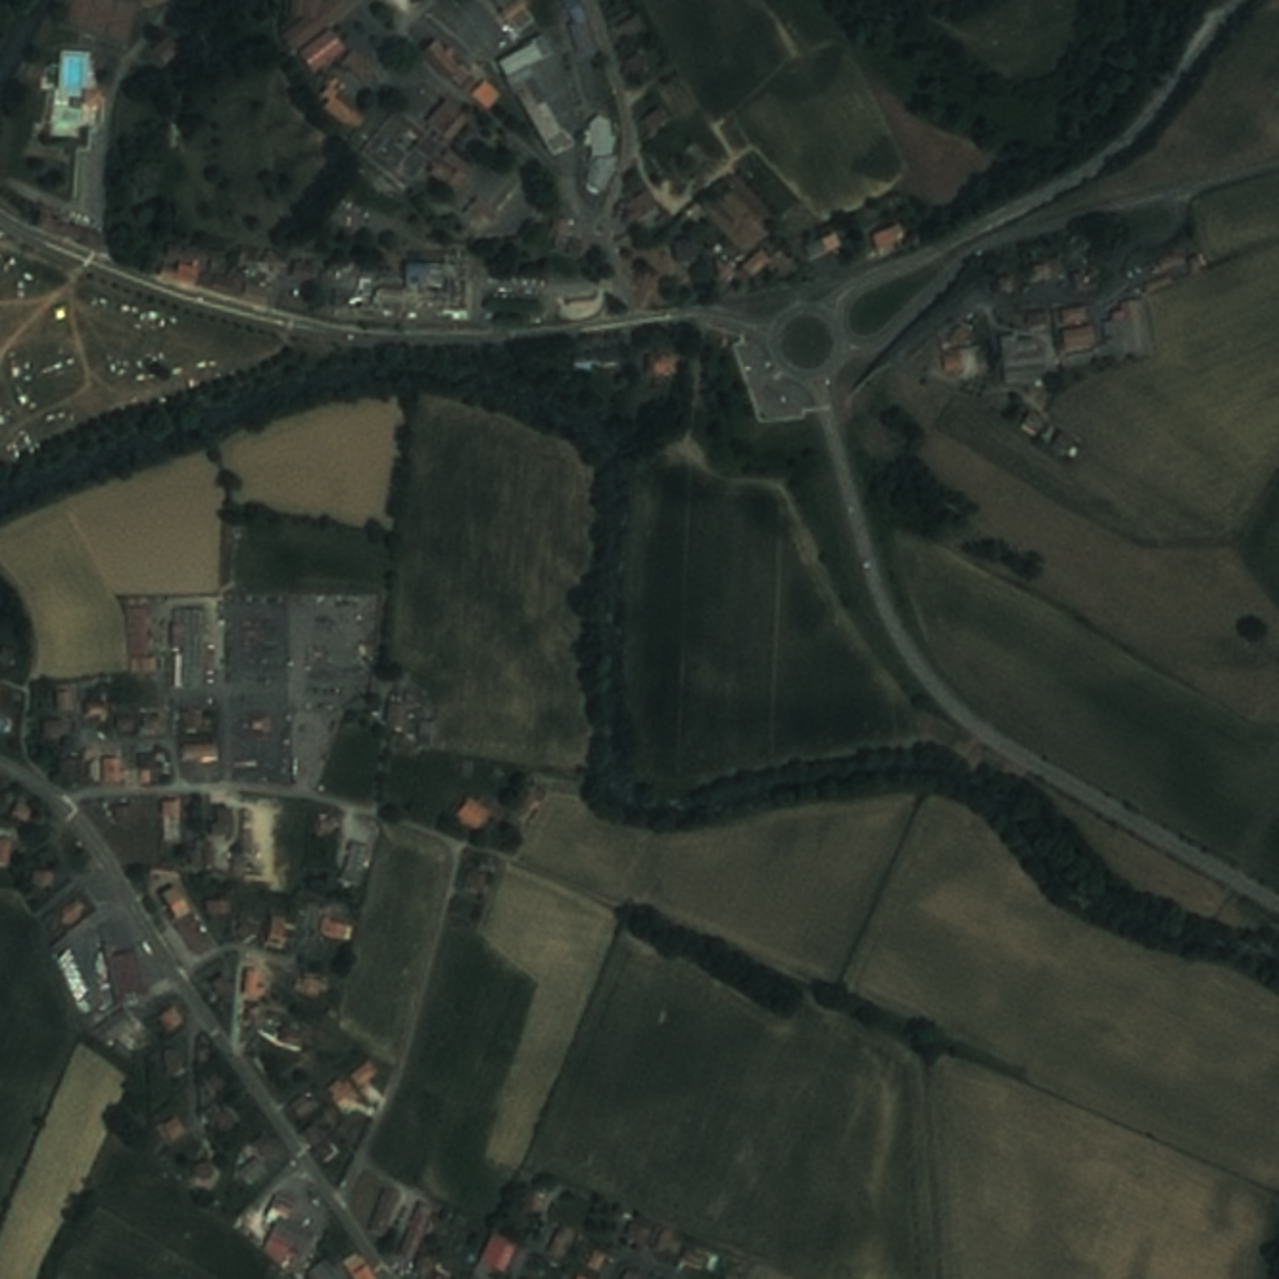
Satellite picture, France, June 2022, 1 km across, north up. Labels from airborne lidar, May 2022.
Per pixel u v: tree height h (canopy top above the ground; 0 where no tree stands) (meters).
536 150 0
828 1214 0
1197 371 0
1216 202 0
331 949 0
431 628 0
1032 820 19
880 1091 0
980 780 7
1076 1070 0
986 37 0
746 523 0
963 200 9
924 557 0
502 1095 0
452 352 17
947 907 0
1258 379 0
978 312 0
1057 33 0
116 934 0
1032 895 0
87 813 0
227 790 0
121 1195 0
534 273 15
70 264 0
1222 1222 0
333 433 0
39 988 0
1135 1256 0
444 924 0
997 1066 0
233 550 0
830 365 0
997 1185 0
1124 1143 0
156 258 15
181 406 15
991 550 17
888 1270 0
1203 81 6
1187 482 0
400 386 14
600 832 0
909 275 0
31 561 0
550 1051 0
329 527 8
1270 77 0
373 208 0
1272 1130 0
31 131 0
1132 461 0
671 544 0
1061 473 0
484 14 0
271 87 0
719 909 0
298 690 0
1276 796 0
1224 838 0
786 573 0
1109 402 0
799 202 0
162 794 0
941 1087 0
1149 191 0
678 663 0
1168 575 0
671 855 0
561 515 0
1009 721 0
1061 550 0
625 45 8
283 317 0
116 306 0
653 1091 0
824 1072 0
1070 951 0
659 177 10
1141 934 24
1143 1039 0
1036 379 0
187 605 0
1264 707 0
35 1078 0
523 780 12
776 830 0
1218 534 0
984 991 0
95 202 0
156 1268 0
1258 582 0
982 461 0
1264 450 0
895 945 0
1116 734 0
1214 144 0
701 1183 0
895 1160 0
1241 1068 0
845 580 0
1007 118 0
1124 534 0
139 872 12
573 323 0
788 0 0
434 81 0
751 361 0
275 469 0
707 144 0
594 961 0
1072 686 0
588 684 12
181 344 0
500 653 0
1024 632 0
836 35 0
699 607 0
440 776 0
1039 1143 0
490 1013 0
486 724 0
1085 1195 0
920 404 0
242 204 0
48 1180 0
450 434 0
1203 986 0
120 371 0
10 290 0
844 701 0
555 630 0
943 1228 0
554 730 0
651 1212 0
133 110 0
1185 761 0
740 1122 0
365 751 0
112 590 0
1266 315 0
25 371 0
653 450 21
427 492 0
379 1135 0
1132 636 0
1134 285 0
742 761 0
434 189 19
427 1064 0
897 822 0
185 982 0
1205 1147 0
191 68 20
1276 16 0
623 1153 0
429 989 0
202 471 0
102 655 0
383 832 0
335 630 0
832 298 0
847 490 0
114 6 0
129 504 0
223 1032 0
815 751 0
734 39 0
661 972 0
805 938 0
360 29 7
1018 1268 0
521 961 0
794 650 0
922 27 6
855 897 0
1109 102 24
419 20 0
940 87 18
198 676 0
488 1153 0
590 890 0
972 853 0
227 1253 0
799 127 0
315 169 0
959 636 0
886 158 0
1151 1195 0
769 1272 0
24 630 14
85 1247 0
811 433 0
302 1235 0
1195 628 0
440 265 0
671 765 0
